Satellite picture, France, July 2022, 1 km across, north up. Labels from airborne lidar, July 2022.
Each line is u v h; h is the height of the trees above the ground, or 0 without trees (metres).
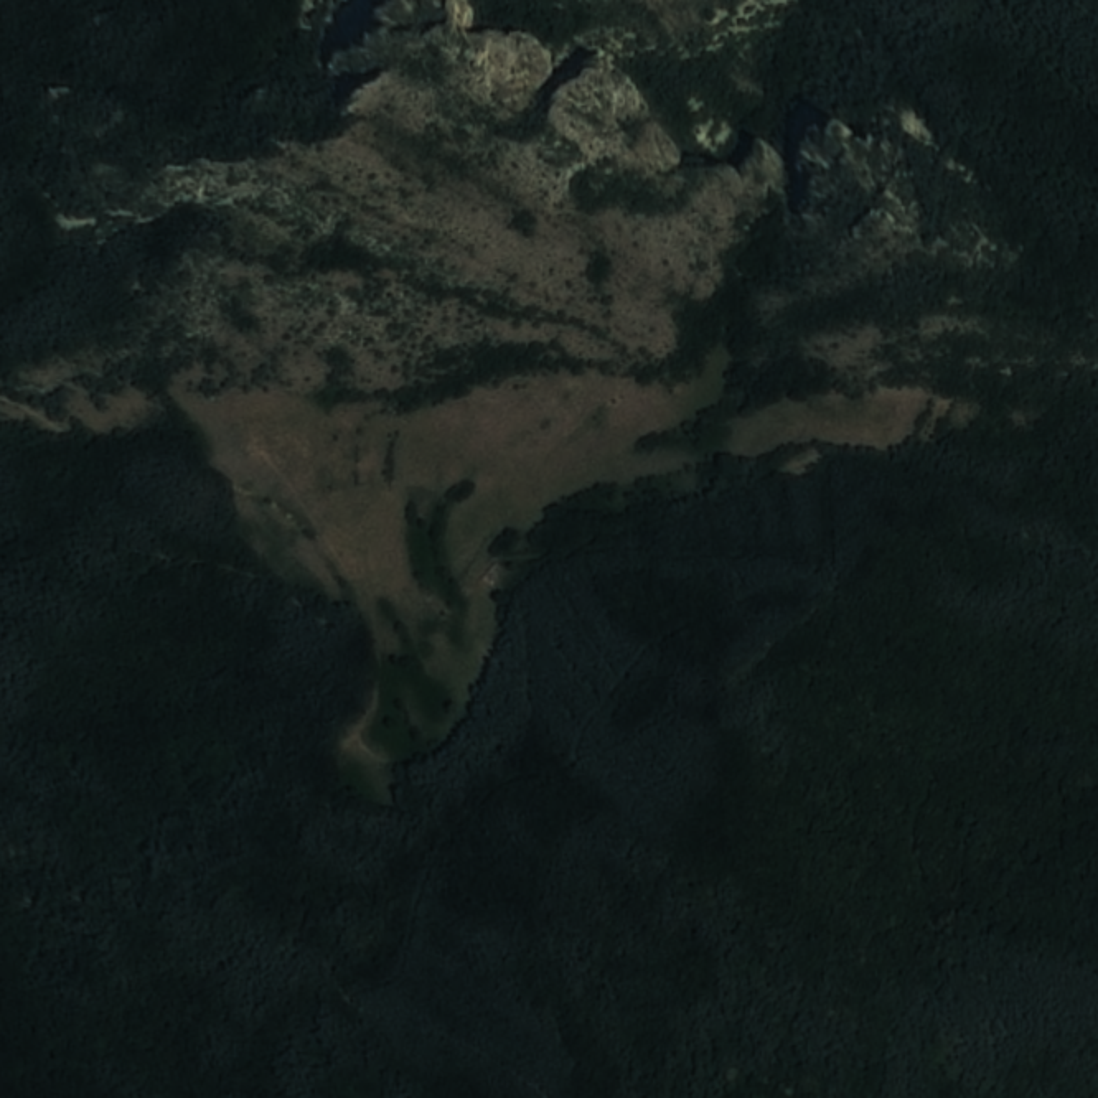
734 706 18
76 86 6
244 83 11
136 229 12
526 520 0
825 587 13
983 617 22
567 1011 13
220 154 7
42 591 13
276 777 18
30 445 21
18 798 15
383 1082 9
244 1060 18
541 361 6
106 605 21
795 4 10
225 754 18
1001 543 12
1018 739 22
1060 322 12
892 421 0
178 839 15
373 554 0
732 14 8
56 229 9
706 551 14
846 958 25
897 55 18
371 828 24
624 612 18
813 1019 18
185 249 10
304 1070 19
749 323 9
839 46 14
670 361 8
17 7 19
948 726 22
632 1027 15
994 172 19
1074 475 12
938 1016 17
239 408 0
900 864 23
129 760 25
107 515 13
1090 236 23
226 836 19
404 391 10
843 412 0
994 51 16
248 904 14
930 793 11
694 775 14
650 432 6
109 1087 25
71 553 16
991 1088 10
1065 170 20
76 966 11
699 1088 24
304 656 23
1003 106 15
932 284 14
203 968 23
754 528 12
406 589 0
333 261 10
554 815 13
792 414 0
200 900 13
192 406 0
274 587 12
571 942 19
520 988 10
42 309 14
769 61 13
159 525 13
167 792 17
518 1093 13
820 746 20
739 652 13
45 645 24
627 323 0
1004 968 17
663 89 17
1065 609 21
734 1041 15
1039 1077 24
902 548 16
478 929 10
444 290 9
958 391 11
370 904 15
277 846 18
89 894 9
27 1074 26
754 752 18
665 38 10
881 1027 20
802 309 6
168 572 15
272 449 0
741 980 21
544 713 15
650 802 11
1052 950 22
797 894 20
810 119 6
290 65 8
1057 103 15
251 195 0
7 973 24
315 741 22
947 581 23
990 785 20
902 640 19
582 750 13
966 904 27
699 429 11
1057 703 20
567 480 0
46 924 14
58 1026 17
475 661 0
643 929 15
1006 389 10
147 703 26
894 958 24
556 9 9
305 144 8
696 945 18
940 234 7
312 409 0
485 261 0
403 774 13
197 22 13
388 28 0
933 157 7
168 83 14
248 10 25
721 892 23
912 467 12
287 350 6
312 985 20
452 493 10
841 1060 19
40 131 9
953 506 15
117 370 7
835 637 16
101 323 11
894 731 21
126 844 18
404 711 6
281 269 8
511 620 17
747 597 11
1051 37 14
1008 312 6
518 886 13
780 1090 20
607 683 13
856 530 12
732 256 9
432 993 15
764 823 20
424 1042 14
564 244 0
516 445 0
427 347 6
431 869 12
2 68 11
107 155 7
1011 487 20
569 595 13
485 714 22
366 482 0
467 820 12
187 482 9
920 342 5
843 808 21
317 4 8
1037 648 18
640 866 23
